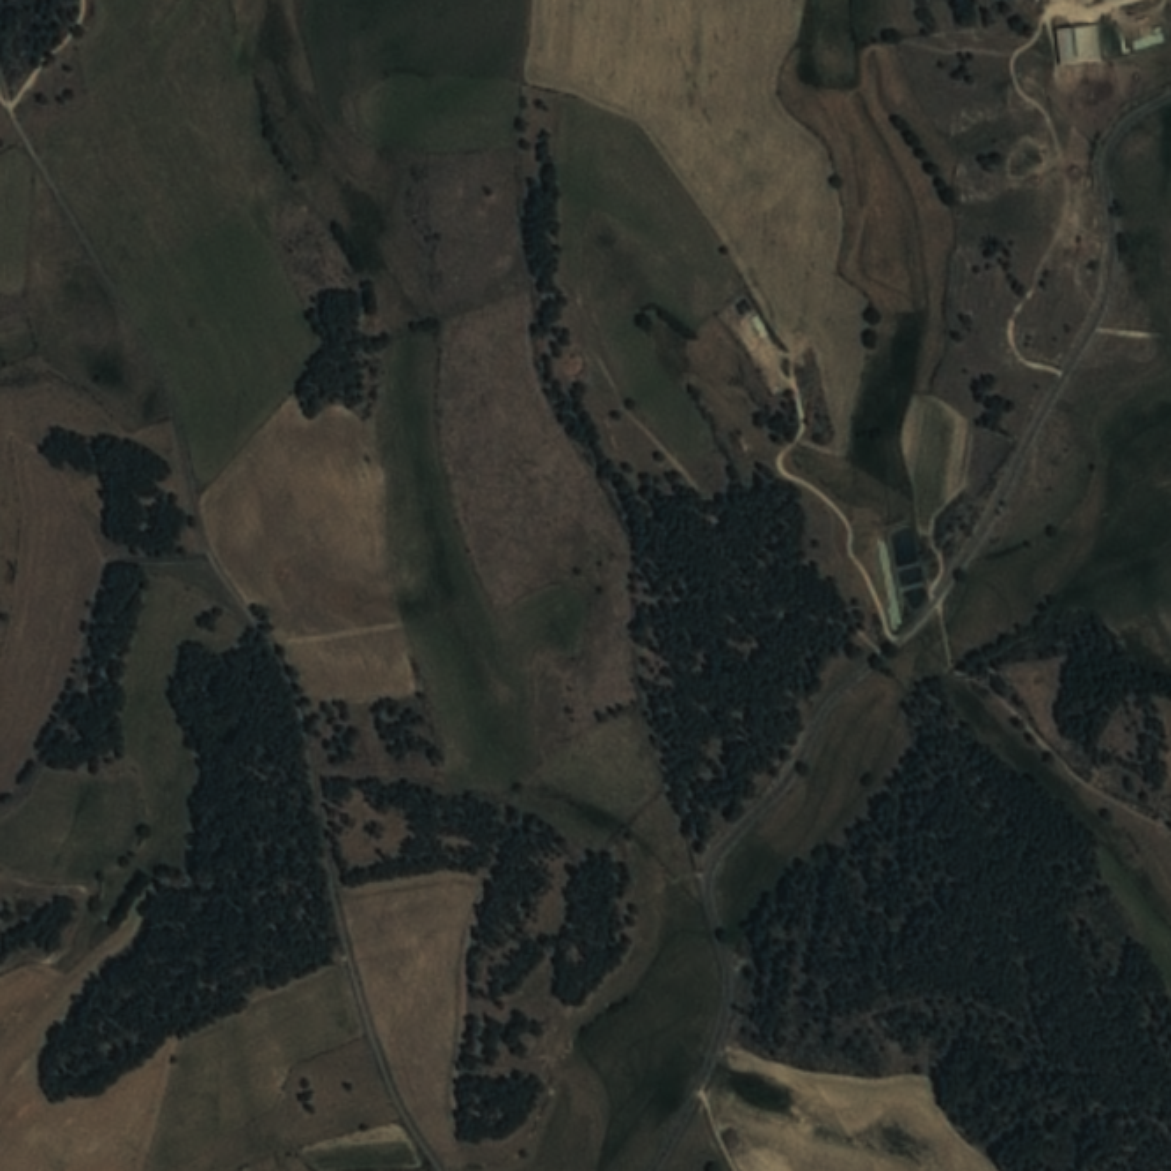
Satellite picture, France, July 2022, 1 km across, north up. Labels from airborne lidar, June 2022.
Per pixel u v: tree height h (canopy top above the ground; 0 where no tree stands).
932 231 0
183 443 0
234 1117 0
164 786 0
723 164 0
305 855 18
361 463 0
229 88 0
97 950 0
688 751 19
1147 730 9
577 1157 0
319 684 0
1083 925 14
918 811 15
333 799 13
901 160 0
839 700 0
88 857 0
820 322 0
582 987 10
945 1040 10
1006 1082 14
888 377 0
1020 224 0
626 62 0
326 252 0
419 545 0
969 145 0
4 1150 0
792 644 20
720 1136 0
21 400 0
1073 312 0
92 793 0
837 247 0
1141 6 0
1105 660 12
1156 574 0
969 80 8
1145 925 0
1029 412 0
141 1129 0
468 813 17
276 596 0
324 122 0
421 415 0
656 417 0
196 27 0
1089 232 0
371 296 17
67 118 0
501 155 0
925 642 0
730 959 0
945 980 18
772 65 0
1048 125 0
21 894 0
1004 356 0
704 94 0
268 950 20
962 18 18
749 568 21
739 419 0
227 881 20
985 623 0
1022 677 0
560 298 9
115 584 16
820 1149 0
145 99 0
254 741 20
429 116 0
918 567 0
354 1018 0
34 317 0
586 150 0
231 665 18
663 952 0
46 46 8
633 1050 0
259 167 0
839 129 0
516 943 19
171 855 0
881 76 0
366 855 0
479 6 0
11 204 0
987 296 0
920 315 0
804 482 0
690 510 16
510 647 0
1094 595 0
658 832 0
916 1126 0
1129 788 12
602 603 0
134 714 0
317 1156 0
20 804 0
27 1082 0
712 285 0
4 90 0
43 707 0
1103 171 0
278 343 0
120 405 0
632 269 0
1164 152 0
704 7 0
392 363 0
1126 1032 21
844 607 8
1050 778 0
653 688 13
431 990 0
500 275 0
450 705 0
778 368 0
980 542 0
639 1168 0
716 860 0
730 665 20
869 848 19
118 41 0
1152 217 0
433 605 0
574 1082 0
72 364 0
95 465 11
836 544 0
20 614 0
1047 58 0
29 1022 0
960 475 0
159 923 14
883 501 0
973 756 19
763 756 17
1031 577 0
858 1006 14
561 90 0
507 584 0
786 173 0
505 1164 0
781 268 0
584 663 0
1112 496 0
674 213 0
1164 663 0
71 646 0
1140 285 0
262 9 0
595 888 18
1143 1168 17
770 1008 13
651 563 17
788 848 0
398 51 0
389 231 0
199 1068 0
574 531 0
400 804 20
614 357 0
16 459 0
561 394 11
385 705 11
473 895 0
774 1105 0
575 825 0
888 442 0
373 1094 0
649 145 0
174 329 0
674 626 18
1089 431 0
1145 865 0
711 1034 0
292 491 0
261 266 0
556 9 0
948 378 0
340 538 0
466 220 0
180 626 0
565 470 0
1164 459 0
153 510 15
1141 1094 21
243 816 23
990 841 19
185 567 0
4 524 0
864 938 16
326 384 15
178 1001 18
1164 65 0
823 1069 0
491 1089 20
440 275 0
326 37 0
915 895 13
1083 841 23
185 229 0
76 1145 0
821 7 0
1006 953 22
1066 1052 17
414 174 0
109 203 0
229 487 0
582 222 0
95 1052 16
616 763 0
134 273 0
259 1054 0
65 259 0
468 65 0
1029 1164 18
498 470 0
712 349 0
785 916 14
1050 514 0
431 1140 0
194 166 0
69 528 0
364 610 0
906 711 12
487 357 0
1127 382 0
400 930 0
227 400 0
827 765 0
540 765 0
